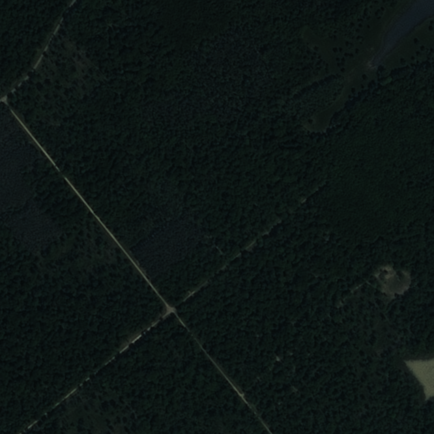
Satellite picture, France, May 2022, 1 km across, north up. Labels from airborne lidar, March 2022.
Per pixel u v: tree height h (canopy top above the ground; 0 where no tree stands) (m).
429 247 23
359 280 19
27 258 18
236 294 19
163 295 18
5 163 19
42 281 22
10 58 23
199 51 17
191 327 20
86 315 20
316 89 23
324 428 20
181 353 23
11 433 22
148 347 26
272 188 23
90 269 0
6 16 22
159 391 20
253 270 16
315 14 23
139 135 21
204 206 20
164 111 29
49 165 15
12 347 23
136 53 25
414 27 0
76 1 0
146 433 21
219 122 21
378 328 0
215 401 9
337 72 0
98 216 17
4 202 21
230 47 28
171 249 21
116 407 25
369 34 0
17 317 24
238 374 21
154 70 24
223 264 16
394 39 0
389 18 0
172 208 14
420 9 0
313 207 22
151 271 21
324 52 0
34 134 6
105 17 27
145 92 21
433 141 17
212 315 20
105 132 23
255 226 19
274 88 11
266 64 10
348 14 18
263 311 21
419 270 17
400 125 19
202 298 19
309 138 21
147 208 19
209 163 23
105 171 14
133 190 24
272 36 20
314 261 23
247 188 20
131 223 9
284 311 17
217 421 28
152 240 20
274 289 19
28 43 21
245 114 13
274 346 15
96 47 21
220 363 19
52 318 22
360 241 20
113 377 21
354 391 23
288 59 22
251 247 0
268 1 10
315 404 20
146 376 22
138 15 24
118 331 22
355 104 23
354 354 23
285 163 24
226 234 21
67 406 25
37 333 19
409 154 20
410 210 17
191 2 16
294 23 19
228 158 19
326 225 20
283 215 21
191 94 22
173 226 19
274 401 18
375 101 20
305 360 21
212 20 18
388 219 15
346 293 20
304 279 21
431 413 17
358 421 19
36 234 22
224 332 19
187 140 24
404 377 14
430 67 22
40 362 17
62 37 24
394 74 17
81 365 12
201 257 19
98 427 0
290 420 23
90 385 20
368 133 19
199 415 24
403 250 20
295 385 23
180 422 13
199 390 27
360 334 21
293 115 12
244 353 20
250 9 22
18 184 21
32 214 20
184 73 19
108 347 24
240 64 27
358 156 16
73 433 0
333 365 19
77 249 18
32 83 19
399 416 21
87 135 21
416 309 20
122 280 20
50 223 23
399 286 0
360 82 0
